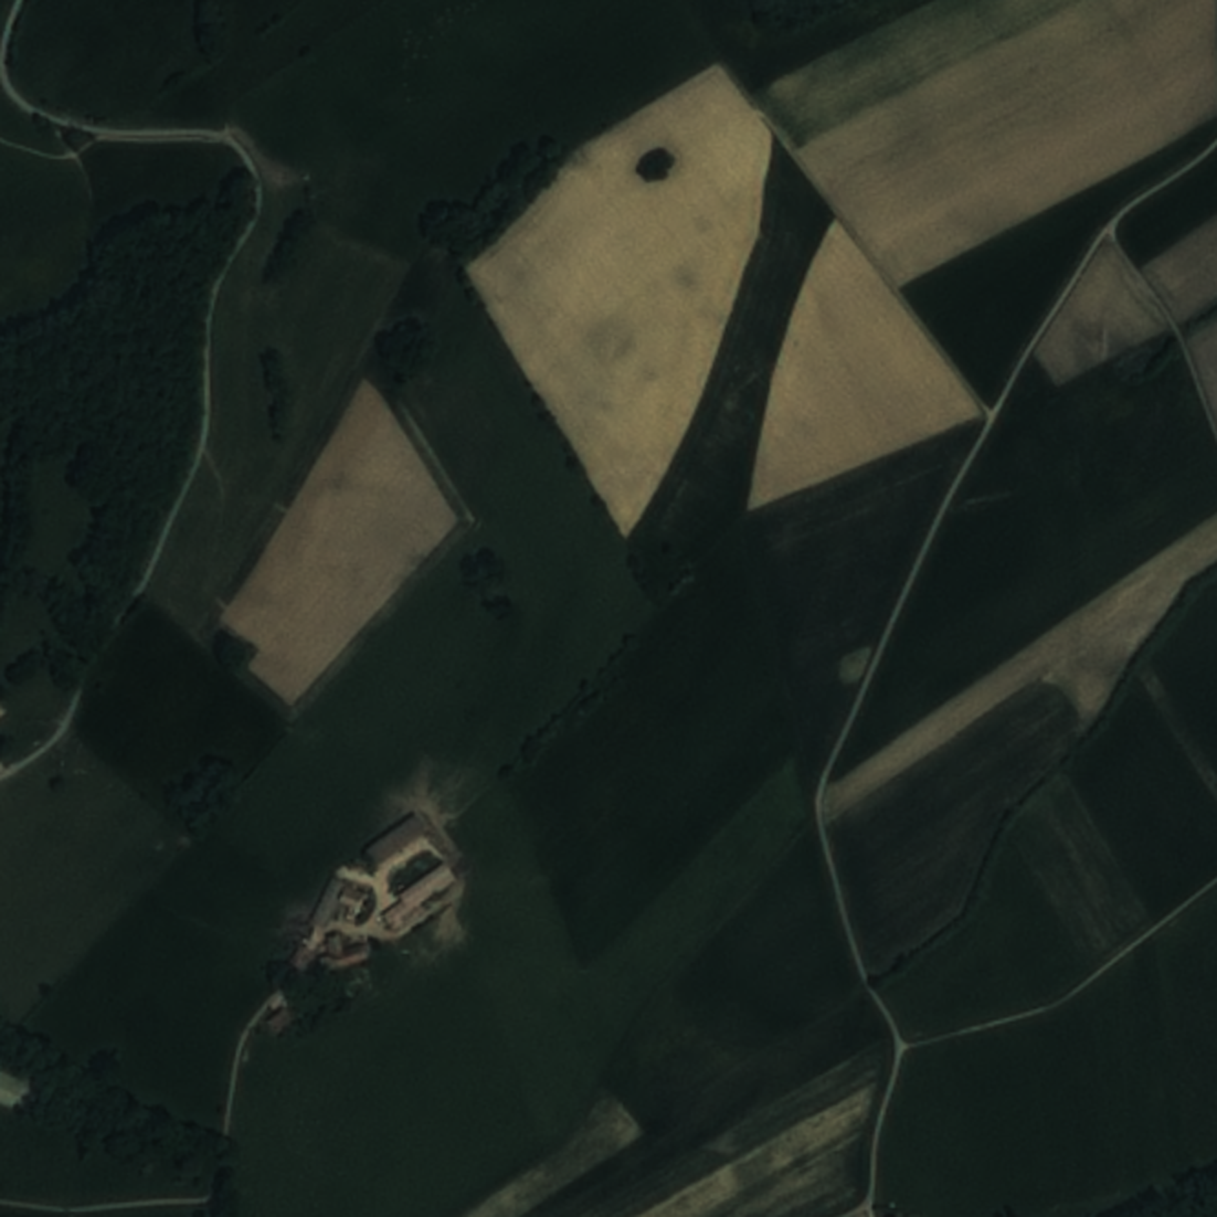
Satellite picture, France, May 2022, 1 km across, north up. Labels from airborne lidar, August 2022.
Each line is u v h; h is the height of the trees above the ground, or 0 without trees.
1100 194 0
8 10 0
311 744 0
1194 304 0
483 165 0
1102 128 0
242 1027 0
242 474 0
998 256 0
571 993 0
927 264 0
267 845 0
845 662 0
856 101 0
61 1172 0
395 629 0
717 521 0
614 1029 0
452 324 0
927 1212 0
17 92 0
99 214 0
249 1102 0
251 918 0
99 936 0
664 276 0
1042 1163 0
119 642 0
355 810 0
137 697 0
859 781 0
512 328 0
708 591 0
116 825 0
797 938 0
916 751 0
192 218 15
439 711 0
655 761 0
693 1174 0
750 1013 0
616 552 0
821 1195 0
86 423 22
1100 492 0
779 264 0
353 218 0
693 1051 0
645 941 0
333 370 0
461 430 0
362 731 0
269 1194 0
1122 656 0
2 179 0
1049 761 0
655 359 0
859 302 0
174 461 17
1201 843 0
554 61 0
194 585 0
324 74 0
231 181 12
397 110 0
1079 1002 0
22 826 0
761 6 16
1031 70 0
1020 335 0
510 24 0
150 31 0
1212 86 0
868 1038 0
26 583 23
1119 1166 0
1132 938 0
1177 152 0
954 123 0
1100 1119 0
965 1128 0
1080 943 0
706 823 0
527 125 0
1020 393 0
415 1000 0
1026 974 0
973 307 0
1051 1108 0
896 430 0
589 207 0
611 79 0
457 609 0
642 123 0
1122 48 0
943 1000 0
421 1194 0
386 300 0
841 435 0
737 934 0
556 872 0
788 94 0
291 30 0
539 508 0
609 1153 0
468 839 0
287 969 13
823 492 0
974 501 0
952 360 0
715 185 0
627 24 0
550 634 0
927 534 0
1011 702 0
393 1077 0
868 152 0
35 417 17
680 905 0
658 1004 0
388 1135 0
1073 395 0
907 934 0
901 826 0
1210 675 0
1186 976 0
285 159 0
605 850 0
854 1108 0
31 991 0
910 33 0
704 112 0
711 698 0
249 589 0
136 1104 24
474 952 0
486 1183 0
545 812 0
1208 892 0
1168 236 0
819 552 0
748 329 0
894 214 0
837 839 0
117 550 15
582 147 0
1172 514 0
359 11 0
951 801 0
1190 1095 0
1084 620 0
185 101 0
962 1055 0
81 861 0
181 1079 0
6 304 0
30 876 0
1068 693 0
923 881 0
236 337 0
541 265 0
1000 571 0
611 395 0
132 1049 0
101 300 18
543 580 0
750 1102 0
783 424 0
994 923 0
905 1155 0
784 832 0
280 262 15
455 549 0
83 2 0
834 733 0
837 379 0
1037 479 0
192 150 0
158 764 0
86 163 0
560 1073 0
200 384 13
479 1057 0
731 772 0
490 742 0
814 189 0
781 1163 0
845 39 0
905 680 0
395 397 0
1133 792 0
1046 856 0
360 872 0
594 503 9
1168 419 0
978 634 0
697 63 0
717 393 0
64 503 0
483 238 14
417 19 0
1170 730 0
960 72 0
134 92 0
